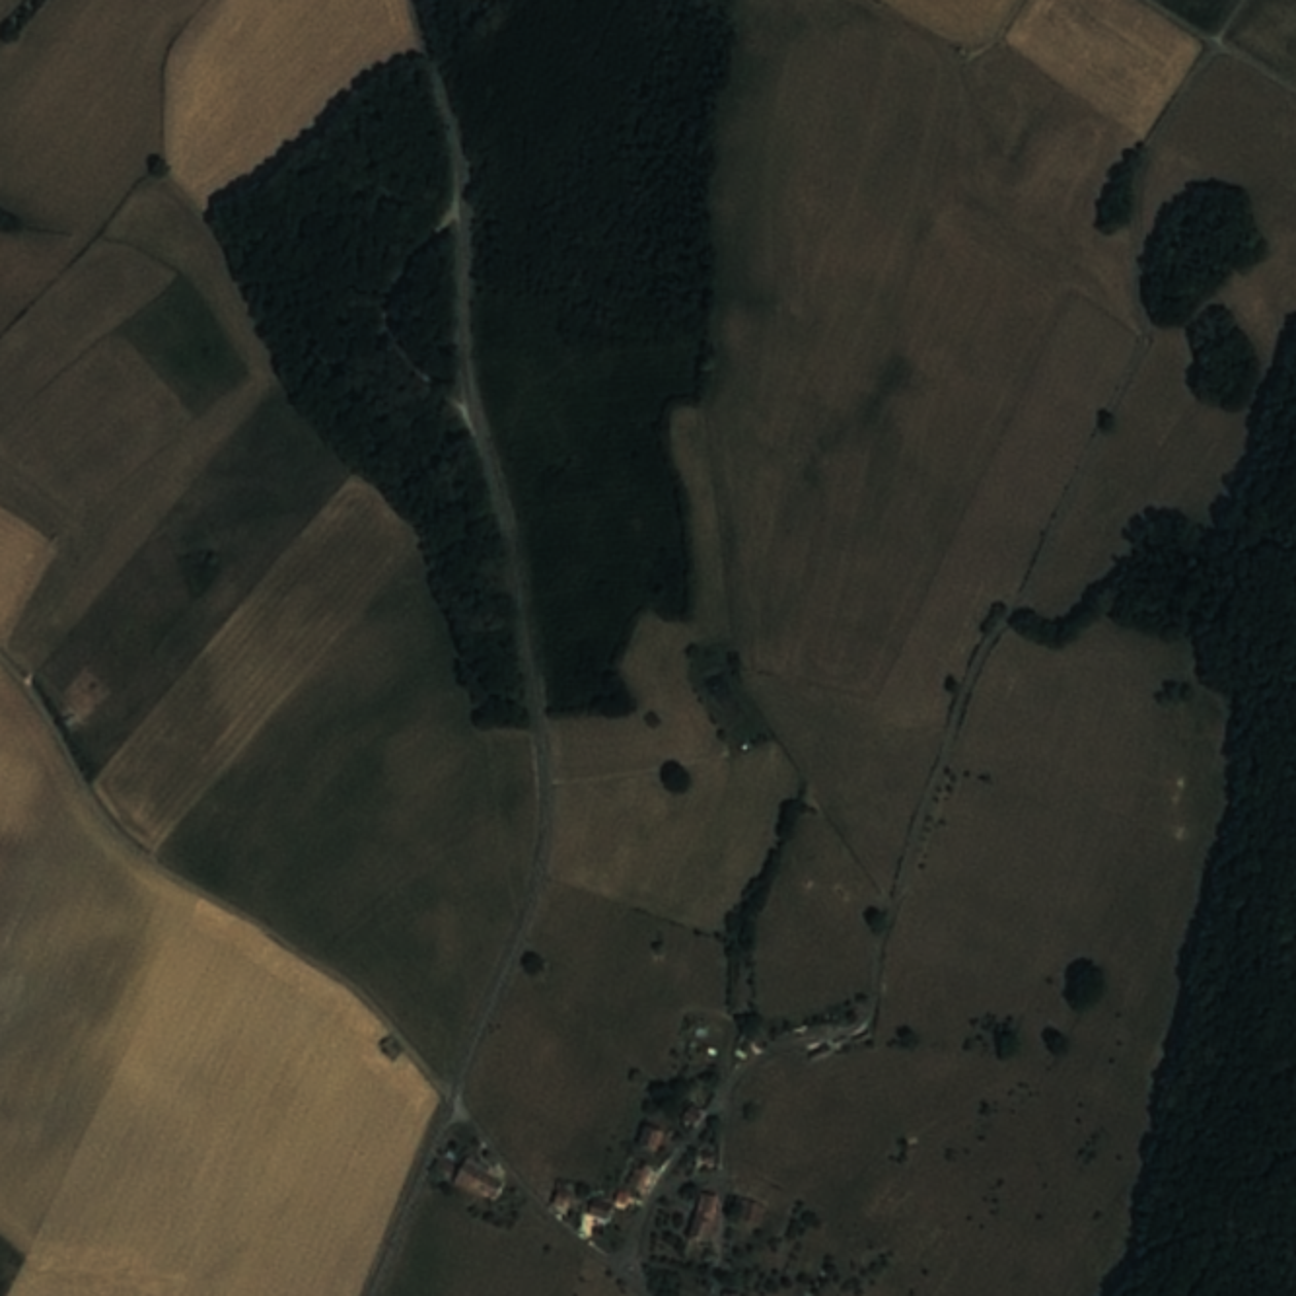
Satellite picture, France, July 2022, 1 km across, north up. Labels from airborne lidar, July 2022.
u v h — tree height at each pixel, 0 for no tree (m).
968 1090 0
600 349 8
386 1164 0
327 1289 0
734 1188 0
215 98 0
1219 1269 20
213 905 0
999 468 0
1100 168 0
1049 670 0
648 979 0
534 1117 0
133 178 0
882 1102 0
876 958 0
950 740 0
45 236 0
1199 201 16
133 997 0
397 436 26
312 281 27
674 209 11
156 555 0
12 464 0
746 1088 0
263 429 0
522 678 14
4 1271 0
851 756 0
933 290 0
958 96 0
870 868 0
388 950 0
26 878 0
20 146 0
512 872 0
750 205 0
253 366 0
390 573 0
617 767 0
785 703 0
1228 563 26
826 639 0
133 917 0
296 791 0
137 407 0
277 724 0
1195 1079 25
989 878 0
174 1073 0
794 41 0
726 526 0
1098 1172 0
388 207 20
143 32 0
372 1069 0
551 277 13
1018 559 0
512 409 0
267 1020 0
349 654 0
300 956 0
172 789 0
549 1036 0
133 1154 0
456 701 0
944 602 0
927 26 0
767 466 0
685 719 0
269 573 0
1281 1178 23
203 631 0
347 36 0
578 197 13
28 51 0
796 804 9
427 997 0
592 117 14
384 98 22
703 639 0
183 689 0
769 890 11
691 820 0
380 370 27
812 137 0
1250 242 19
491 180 14
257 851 0
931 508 0
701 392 8
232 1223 0
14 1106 0
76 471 0
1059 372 0
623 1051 0
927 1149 0
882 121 0
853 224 0
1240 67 0
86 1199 0
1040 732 0
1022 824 0
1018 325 0
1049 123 0
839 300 0
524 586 0
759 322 0
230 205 18
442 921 0
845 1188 0
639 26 15
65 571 0
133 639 0
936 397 0
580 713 7
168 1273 0
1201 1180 23
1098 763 0
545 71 10
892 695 0
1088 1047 0
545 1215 0
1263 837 21
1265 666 22
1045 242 0
